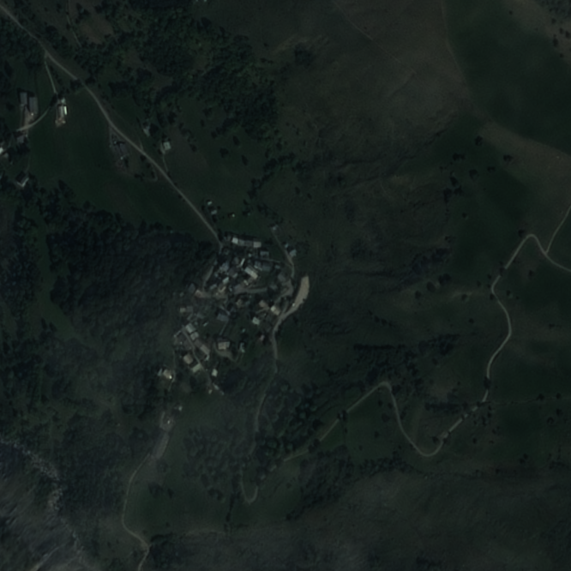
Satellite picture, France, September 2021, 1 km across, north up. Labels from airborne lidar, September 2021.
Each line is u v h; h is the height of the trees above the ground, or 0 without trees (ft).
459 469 0
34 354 21
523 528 0
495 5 0
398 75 0
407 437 0
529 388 0
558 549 0
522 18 0
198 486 0
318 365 0
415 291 0
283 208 0
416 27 0
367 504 0
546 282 0
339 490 22
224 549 0
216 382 43
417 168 0
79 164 0
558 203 0
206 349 0
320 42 0
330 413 0
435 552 0
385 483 0
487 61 0
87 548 0
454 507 0
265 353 0
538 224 0
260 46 0
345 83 0
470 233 0
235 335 0
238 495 43
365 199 0
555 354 0
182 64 44
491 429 0
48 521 0
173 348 22
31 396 55
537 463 0
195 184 0
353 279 0
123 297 63
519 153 0
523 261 0
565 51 0
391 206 0
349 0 0
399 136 0
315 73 0
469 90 0
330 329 0
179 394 0
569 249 0
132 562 0
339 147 0
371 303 0
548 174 0
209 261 25
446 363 0
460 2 0
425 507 0
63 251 82
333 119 0
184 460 0
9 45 58
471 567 0
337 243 0
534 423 0
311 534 0
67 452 51
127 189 0
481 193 0
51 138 0
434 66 0
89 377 46
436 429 0
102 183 0
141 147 0
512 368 0
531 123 0
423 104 0
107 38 31
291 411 39
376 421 0
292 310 0
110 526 0
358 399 0
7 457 0
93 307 57
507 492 0
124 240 61
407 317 0
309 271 0
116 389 56
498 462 0
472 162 0
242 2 0
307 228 0
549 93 0
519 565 0
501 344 0
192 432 28
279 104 26
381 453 0
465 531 0
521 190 0
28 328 42
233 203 0
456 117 0
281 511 0
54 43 66
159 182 0
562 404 0
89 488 20
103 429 65
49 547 0
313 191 0
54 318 0
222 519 0
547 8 23
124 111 0
